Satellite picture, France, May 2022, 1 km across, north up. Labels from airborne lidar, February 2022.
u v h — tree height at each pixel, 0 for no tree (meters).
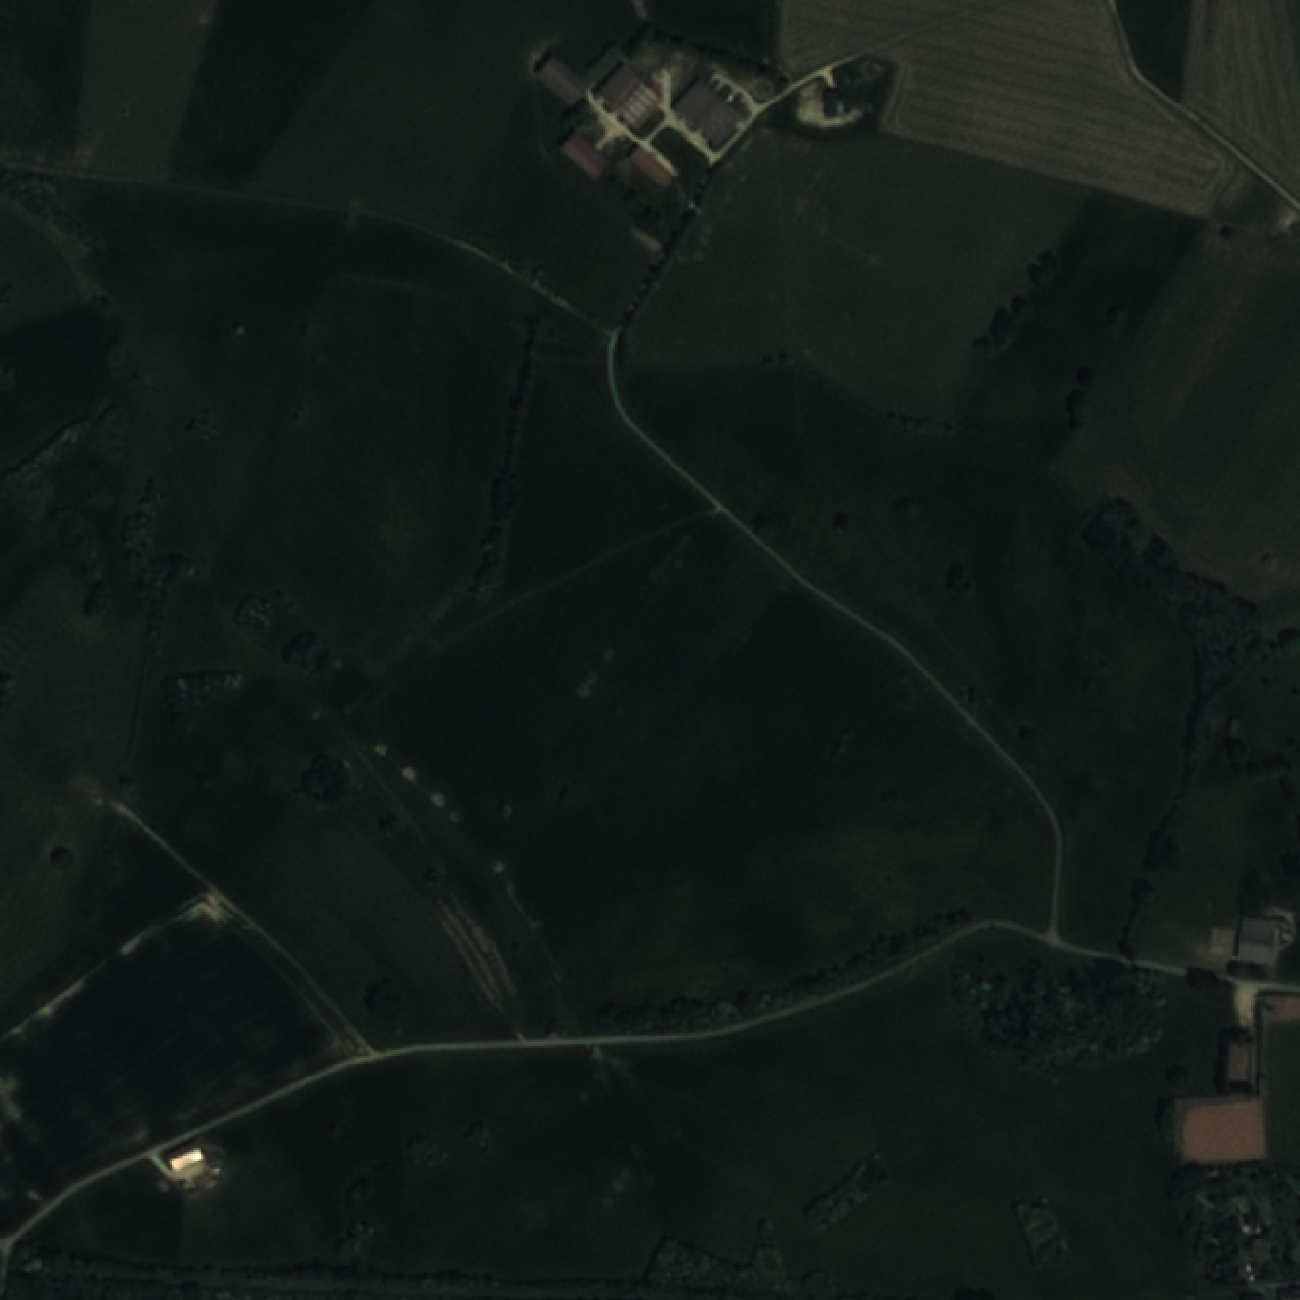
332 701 0
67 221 7
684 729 0
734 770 0
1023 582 0
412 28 0
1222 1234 11
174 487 0
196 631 0
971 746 0
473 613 0
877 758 0
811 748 0
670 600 0
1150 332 0
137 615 0
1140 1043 5
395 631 0
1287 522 0
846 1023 0
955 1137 0
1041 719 0
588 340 0
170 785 0
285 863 0
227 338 0
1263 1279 6
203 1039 0
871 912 0
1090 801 0
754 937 0
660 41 8
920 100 0
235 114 0
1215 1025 0
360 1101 0
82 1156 0
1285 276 0
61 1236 0
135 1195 0
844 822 0
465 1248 0
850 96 0
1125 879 0
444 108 0
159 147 0
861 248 0
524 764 0
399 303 0
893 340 0
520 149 0
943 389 0
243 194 0
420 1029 0
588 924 0
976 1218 0
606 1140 0
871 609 0
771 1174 0
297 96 0
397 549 0
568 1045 0
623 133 0
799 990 8
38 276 0
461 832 0
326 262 0
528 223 0
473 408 0
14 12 0
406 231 0
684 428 0
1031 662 0
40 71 0
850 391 0
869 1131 0
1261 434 0
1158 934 0
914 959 0
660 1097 0
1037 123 0
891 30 0
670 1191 0
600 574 0
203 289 0
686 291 0
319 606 0
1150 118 0
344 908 0
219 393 0
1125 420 0
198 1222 0
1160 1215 0
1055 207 0
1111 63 0
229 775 0
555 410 0
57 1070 0
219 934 0
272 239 0
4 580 0
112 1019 0
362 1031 0
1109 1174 0
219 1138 0
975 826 0
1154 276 0
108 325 0
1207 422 0
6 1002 0
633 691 0
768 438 0
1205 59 0
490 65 0
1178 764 0
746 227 0
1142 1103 0
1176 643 0
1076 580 0
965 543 0
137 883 0
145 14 0
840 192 0
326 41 0
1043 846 0
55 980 0
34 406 0
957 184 0
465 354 0
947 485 0
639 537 0
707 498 0
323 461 0
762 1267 6
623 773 0
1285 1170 0
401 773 0
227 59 0
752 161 0
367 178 0
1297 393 0
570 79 0
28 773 0
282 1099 0
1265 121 0
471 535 0
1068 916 0
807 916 0
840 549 0
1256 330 0
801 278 0
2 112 0
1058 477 0
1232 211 0
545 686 0
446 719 0
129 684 0
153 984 0
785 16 0
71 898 0
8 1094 0
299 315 0
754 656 0
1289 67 0
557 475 0
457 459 0
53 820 0
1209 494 0
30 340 0
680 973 0
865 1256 0
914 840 0
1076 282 0
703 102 0
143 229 0
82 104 0
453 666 0
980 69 0
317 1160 0
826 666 0
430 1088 0
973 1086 0
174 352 0
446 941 0
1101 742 0
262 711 0
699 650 0
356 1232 8
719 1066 0
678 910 0
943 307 0
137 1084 0
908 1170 0
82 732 0
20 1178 0
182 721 8
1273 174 0
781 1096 0
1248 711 0
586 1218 0
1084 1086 0
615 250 0
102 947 0
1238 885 0
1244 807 0
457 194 0
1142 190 0
